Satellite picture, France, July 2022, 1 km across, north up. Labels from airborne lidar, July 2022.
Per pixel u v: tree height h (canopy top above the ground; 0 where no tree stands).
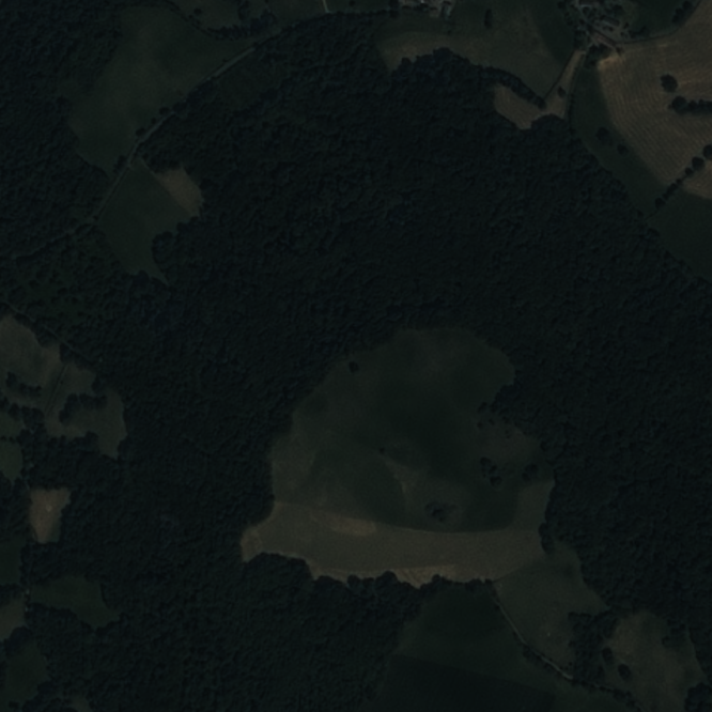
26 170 16
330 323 21
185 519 9
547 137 16
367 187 22
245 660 20
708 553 13
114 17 12
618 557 17
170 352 24
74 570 15
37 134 15
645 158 0
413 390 0
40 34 21
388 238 24
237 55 0
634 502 30
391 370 0
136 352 11
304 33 12
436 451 0
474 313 27
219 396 17
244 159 19
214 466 14
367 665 17
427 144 21
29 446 12
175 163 15
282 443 0
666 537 26
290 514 0
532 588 0
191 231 18
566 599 0
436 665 0
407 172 21
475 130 27
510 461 0
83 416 0
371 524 0
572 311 21
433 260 25
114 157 0
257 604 15
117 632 16
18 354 0
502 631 0
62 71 6
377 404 0
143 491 25
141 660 23
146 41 0
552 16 0
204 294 27
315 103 18
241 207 20
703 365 21
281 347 26
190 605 8
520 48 0
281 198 13
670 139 0
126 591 26
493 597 6
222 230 14
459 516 0
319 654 14
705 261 0
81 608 0
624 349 20
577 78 0
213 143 7
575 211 24
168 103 0
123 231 0
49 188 17
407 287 27
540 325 24
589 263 21
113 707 22
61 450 15
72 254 13
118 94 0
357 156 20
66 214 11
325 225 21
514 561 0
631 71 0
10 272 8
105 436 0
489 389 0
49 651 16
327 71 17
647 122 0
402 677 0
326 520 0
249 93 0
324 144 22
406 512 0
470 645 0
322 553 0
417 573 0
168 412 12
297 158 17
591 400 24
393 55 0
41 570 19
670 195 12
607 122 0
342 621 20
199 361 25
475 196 24
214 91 21
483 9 0
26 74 15
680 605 28
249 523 16
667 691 0
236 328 27
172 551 26
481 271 24
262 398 28
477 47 0
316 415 0
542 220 22
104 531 25
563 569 0
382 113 27
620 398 24
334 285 17
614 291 22
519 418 13
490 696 0
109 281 7
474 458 0
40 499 0
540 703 0
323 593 22
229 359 16
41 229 9
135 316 17
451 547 0
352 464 0
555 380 22
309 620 21
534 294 25
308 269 25
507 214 21
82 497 17
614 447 27
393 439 0
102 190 14
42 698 15
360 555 0
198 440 14
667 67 0
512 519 0
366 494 0
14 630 0
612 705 0
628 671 16
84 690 17
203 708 20
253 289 21
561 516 17
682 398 16
